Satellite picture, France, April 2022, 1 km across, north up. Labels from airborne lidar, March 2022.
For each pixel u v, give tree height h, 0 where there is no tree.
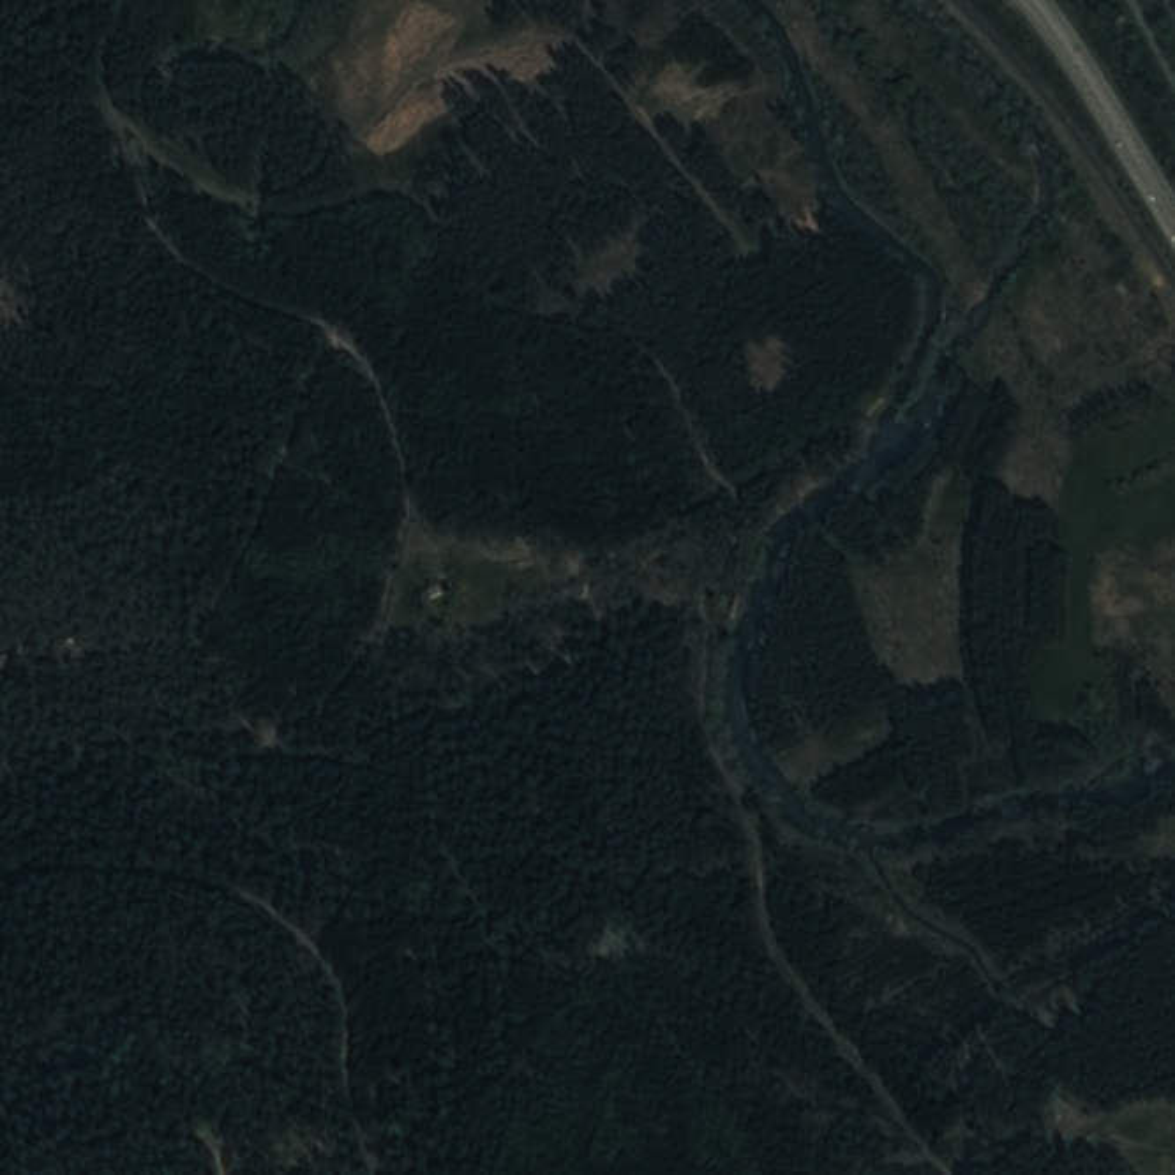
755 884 18
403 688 26
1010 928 8
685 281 32
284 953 19
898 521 31
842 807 13
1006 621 35
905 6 21
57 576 29
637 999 16
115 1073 30
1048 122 17
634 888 32
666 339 26
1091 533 0
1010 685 29
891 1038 13
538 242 33
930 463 30
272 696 17
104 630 25
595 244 34
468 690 31
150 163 6
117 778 27
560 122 32
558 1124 15
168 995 32
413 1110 29
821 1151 15
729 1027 23
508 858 26
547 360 22
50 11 30
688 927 28
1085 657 0
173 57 20
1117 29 12
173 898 30
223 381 22
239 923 23
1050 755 32
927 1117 24
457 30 0
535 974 22
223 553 21
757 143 0
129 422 19
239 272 22
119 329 29
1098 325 0
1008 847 9
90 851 33
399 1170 33
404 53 0
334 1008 24
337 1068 25
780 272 29
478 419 22
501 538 23
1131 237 0
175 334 22
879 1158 27
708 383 23
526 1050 14
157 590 34
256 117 36
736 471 23
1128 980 26
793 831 0
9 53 34
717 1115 19
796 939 14
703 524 23
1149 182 0
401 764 25
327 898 32
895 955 7
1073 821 23
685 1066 21
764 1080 19
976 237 19
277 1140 27
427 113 0
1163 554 0
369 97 0
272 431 19
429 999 23
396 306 20
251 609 12
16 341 25
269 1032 25
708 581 28
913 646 0
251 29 0
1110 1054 27
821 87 11
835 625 29
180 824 15
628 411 20
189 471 24
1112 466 0
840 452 21
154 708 26
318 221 19
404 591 0
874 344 20
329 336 13
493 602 0
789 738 30
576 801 21
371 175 0
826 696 32
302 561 17
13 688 29
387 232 18
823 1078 21
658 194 33
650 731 31
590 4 35
